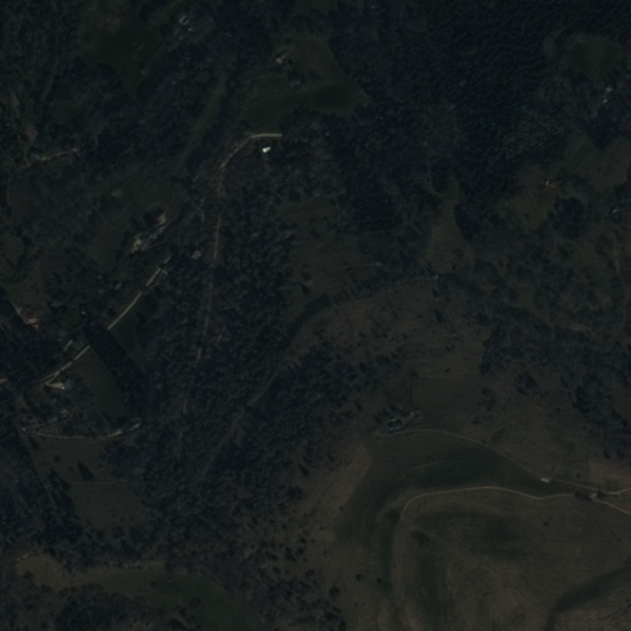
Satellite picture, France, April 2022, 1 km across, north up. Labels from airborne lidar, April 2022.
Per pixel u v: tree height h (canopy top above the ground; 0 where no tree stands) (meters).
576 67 0
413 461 0
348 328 0
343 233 9
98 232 13
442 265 0
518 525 0
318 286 0
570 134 21
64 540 15
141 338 0
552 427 0
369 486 0
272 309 17
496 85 19
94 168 25
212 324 0
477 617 0
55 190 26
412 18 32
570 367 19
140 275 9
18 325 25
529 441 0
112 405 0
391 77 30
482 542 0
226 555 9
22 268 11
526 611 0
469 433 0
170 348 21
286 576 8
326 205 0
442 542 0
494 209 19
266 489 16
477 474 0
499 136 19
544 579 0
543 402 0
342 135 24
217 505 11
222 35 10
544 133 20
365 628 0
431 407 0
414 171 25
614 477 0
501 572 0
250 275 20
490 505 0
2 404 35
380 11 26
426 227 17
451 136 19
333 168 14
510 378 0
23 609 10
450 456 0
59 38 31
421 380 0
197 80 22
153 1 0
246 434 0
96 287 10
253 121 0
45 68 28
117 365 26
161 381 17
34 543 15
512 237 24
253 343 18
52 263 6
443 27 24
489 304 13
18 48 28
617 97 14
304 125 23
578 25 19
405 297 0
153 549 8
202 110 25
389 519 0
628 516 0
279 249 12
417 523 0
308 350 0
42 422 10
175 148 25
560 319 8
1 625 11
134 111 25
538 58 29
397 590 0
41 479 12
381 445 0
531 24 21
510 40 27
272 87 0
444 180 25
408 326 0
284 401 18
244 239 10
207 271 22
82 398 18
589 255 0
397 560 0
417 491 0
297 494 10
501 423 0
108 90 24
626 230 19
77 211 27
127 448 7
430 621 0
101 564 7
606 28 22
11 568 6
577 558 0
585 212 24
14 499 10
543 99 13
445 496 0
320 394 15
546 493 0
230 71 16
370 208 25
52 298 8
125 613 18
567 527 0
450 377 0
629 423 8
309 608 10
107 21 0
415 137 17
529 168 12
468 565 0
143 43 0
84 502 0
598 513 0
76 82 31
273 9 27
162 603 0
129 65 0
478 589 0
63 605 8
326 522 0
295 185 12
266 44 27
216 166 18
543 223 0
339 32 21
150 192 0
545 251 15
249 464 18
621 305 24
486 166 16
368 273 0
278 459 19
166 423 12
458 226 0
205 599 0
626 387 21
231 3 0
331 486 0
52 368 25
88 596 15
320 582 0
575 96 11
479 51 16
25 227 11
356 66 31
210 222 20
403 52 22
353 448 0
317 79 15
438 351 0
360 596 0
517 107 25
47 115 23
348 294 0
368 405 0
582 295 24
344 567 0
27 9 29
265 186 8
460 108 19
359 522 0
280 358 12
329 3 0
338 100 0
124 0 0
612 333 11
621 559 0
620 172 0
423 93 21
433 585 0
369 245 12
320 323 0
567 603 0
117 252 0
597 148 8
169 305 16
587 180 8
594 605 0
